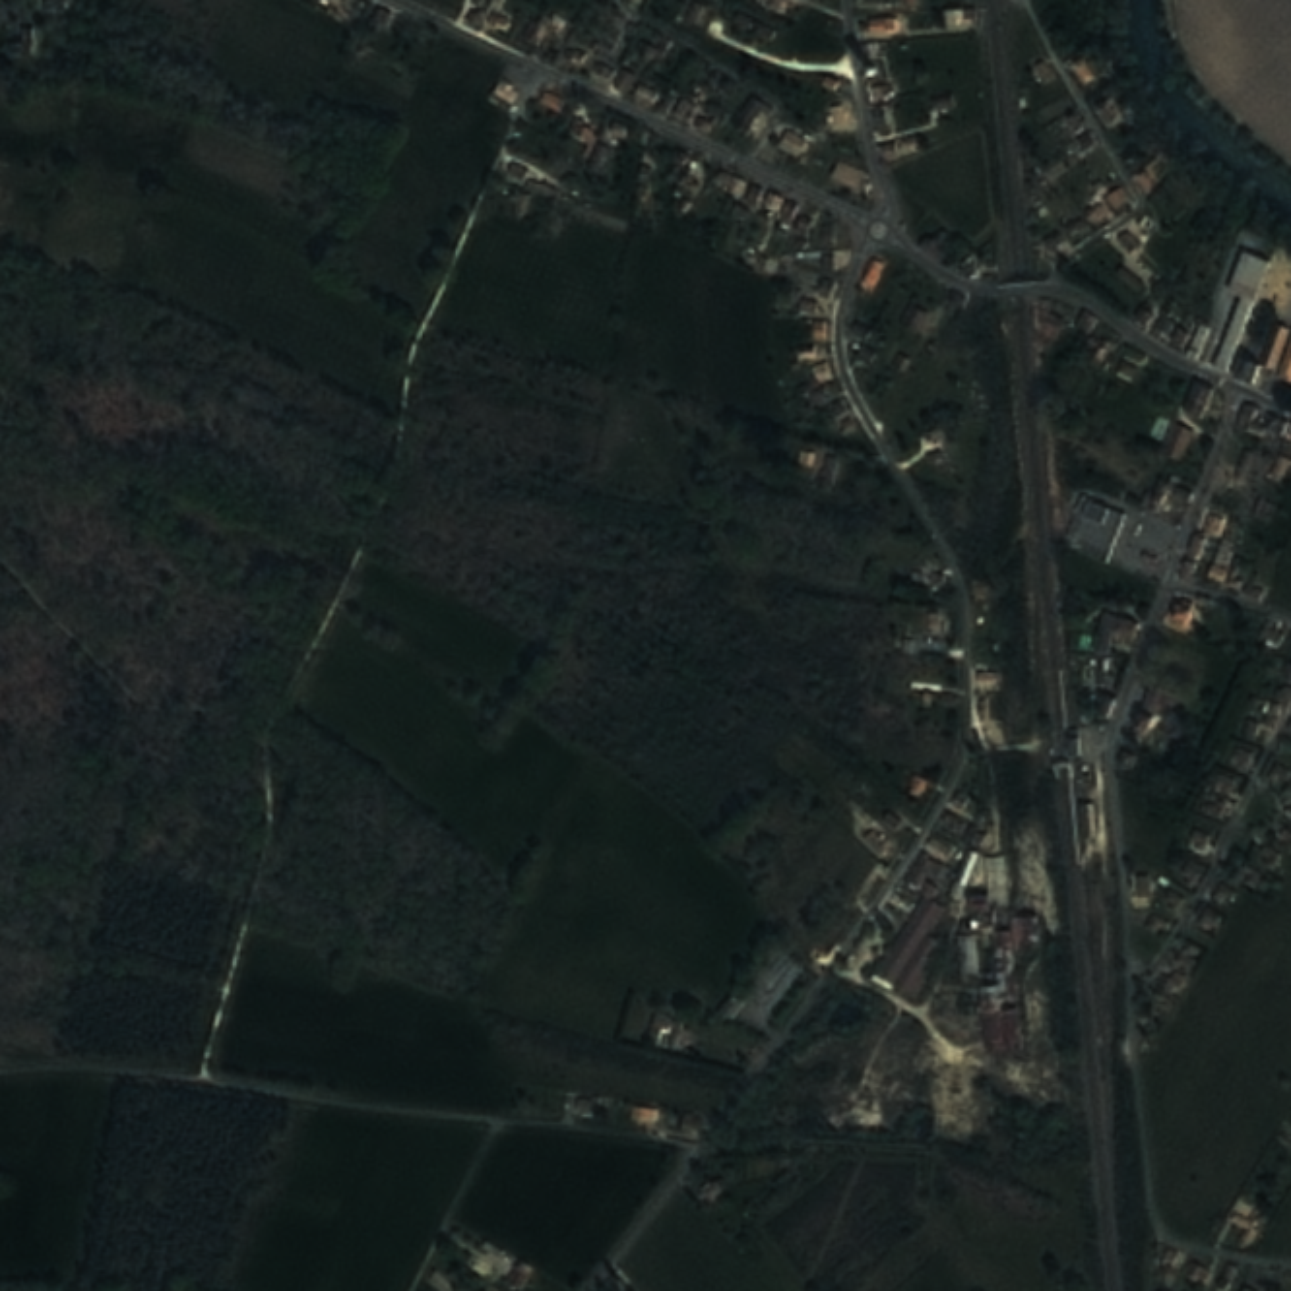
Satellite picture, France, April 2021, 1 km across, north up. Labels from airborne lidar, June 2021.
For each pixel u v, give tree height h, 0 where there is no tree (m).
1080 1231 0
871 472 13
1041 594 0
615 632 8
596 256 0
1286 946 0
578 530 6
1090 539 0
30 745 10
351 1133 0
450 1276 7
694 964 0
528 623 12
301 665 17
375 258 0
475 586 9
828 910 13
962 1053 0
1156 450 9
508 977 0
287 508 23
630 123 7
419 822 22
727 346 0
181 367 11
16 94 17
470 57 0
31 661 12
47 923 17
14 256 19
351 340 0
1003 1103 11
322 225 13
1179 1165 0
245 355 8
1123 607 15
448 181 0
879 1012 8
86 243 0
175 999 15
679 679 11
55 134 0
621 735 7
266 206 0
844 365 0
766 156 0
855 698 6
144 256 0
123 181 0
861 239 0
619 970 0
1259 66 0
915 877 0
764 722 9
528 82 0
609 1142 0
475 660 0
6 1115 0
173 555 9
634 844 0
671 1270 0
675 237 0
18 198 0
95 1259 16
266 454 21
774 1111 6
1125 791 0
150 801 19
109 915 14
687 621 8
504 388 6
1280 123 0
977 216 0
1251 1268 0
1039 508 0
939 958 10
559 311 0
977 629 0
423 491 10
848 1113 0
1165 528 0
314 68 0
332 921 21
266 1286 0
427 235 0
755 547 23
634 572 8
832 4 0
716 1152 11
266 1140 14
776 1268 0
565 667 17
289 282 0
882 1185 0
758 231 7
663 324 0
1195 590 0
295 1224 0
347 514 21
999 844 0
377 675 0
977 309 12
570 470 9
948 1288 0
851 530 21
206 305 0
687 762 7
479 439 7
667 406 15
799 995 10
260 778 16
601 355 0
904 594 11
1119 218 0
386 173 19
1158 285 6
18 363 10
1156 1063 0
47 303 15
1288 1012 0
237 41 0
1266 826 9
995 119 5
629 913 0
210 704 11
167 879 14
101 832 13
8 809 16
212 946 16
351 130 20
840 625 8
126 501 12
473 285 0
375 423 10
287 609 24
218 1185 16
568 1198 0
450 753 0
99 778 18
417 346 9
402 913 14
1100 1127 0
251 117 20
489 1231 0
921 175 0
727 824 16
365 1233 0
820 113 0
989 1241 0
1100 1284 13
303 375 18
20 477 14
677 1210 0
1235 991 0
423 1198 0
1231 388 0
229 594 19
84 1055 13
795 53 0
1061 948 11
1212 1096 0
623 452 0
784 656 0
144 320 13
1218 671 0
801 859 0
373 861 19
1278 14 0
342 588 9
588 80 6
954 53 0
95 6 23
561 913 0
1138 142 12
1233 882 7
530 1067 0
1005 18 0
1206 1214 0
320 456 19
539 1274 0
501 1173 0
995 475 19
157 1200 17
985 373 16
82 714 8
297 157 16
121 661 8
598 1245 0
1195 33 0
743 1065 7
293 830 18
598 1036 0
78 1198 0
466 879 20
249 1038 0
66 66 21
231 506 22
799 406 6
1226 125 6
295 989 0
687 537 6
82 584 7
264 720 20
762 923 0
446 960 17
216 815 25
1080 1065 14
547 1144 0
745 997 12
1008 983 0
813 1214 0
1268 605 0
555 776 0
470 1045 0
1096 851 0
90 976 18
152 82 19
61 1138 0
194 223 0
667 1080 0
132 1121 12
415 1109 0
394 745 0
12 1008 17
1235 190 13
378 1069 0
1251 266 0
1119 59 15
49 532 12
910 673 7
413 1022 0
